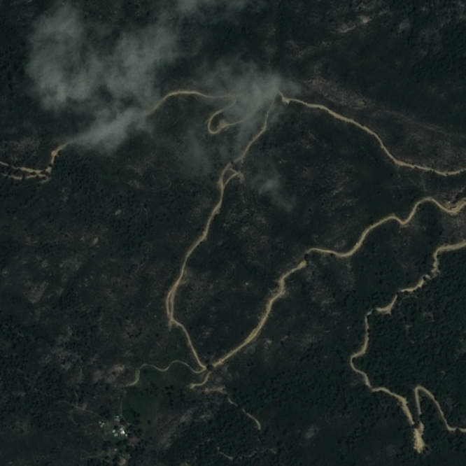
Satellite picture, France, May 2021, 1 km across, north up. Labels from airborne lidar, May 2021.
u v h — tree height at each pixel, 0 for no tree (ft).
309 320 31
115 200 39
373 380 23
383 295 65
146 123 41
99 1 47
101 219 22
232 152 41
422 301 19
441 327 76
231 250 22
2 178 53
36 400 43
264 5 22
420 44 25
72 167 43
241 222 27
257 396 18
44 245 36
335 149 21
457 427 22
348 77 28
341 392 66
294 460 32
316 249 0
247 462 43
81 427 39
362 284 19
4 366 52
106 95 75
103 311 39
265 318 0
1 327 59
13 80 86
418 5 46
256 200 25
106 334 0
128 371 20
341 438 20
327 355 20
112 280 0
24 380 43
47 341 24
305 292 29
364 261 21
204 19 55
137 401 0
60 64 30
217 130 0
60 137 22
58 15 18
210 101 0
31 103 63
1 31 31
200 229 41
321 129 20
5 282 0
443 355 50
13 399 40
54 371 47
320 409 26
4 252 30
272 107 0
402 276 26
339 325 26
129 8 21
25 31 22
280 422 19
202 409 25
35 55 64
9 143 28
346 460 76
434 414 55
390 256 30
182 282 0
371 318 62
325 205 50
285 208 18
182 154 23
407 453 70
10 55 32
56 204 41
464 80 49
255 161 20
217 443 33
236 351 0
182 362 0
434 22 26
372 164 22
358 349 60
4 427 31
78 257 0
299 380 24
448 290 57
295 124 41
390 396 45
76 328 44
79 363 40
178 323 0
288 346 49
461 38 67
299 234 22
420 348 59
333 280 23
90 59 37
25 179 39
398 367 40
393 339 30
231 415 39
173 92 0
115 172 37
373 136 23
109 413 49
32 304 19
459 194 21
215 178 34
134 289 0
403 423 57
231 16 30
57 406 37
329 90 0
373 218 50
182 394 27
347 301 70
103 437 0
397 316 56
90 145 37
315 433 27
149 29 30
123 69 65
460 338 57
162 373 0
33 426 37
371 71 19
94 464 53
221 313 22
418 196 32
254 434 31
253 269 39
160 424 0
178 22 67
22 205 35
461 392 70
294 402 37
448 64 34
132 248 40
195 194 32
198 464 31
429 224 23
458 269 42
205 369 0
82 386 42
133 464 37
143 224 32
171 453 32
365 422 80
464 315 49
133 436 43
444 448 40
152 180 18
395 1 32
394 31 32
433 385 34
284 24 25
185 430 58
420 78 46
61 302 38
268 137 19
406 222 0
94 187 35
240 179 20
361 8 38
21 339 72
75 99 86
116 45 33
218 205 0
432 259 58
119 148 20
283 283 0
